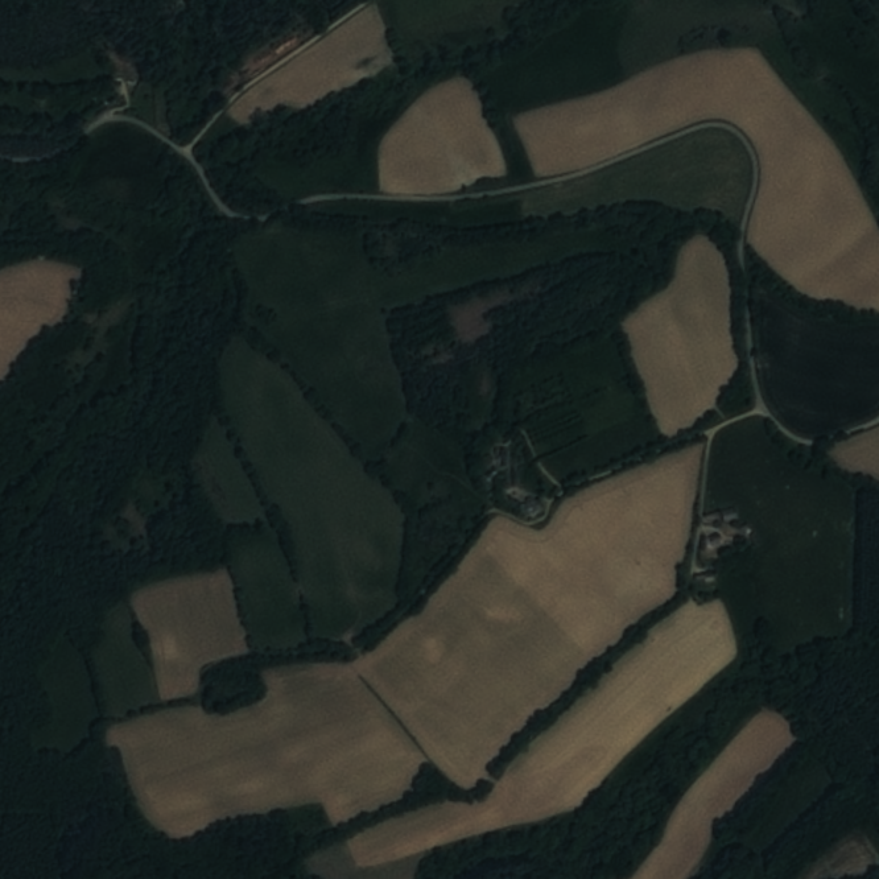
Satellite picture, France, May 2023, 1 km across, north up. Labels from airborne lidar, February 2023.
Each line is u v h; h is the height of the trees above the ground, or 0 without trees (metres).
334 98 7
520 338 12
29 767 13
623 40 0
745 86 0
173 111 6
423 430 0
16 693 15
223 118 0
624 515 0
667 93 0
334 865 0
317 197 0
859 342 0
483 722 0
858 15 12
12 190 16
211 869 16
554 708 7
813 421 0
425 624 0
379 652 0
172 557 12
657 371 0
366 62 0
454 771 0
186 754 0
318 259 0
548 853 9
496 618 0
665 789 23
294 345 0
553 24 15
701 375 0
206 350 21
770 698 18
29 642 18
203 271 16
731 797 0
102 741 10
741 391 11
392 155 0
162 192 7
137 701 0
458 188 0
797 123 0
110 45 17
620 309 10
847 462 0
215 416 10
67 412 11
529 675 0
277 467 0
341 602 0
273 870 16
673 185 0
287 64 0
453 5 0
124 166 0
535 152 0
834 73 0
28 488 16
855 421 0
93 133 0
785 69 0
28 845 20
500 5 0
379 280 0
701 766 21
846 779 19
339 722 0
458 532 6
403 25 0
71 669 0
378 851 0
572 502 0
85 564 18
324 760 0
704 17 0
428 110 0
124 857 22
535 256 0
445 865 15
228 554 14
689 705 0
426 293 0
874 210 0
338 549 0
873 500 19
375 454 0
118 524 9
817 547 0
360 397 0
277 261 0
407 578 10
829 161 0
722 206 0
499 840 17
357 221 10
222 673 10
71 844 33
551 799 0
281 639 0
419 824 0
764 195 0
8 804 18
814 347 0
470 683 0
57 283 0
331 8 17
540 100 0
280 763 0
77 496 16
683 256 0
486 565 0
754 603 0
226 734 0
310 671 0
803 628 0
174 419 20
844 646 8
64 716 0
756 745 0
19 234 11
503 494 11
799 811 0
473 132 0
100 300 17
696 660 0
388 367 0
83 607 15
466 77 20
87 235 17
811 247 0
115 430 13
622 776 0
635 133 0
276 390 0
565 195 0
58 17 18
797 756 16
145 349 16
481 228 6
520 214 0
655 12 0
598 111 0
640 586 0
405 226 9
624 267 15
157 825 0
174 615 0
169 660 0
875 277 0
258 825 20
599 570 0
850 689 19
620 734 0
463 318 0
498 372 10
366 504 0
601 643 0
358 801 0
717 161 0
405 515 8
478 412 0
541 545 0
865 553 22
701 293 0
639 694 0
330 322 0
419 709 0
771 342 0
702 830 0
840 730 8
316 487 0
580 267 14
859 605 20
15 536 16
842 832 9
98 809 18
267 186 9
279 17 24
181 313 18
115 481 22
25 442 17
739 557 14
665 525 0
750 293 7
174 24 22
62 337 12
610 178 0
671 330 0
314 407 8
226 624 0
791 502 0
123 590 14
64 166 20
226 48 14
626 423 0
